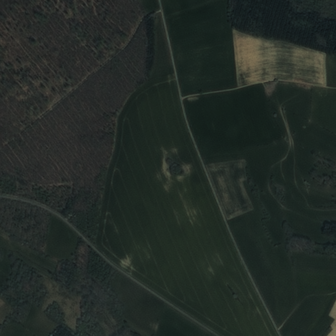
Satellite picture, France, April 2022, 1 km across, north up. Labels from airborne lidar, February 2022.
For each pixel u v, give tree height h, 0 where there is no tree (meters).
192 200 0
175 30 0
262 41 0
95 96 15
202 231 0
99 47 23
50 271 0
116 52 0
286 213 0
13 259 21
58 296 0
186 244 0
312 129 0
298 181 0
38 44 29
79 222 15
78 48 13
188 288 0
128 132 0
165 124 0
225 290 0
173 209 0
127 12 16
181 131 0
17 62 0
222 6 0
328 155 0
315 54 0
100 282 13
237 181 0
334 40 20
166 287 0
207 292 0
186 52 0
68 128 14
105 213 0
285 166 0
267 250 0
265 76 0
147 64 19
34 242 8
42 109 14
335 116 0
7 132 0
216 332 0
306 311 0
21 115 12
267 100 0
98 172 19
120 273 0
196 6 0
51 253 0
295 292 0
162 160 0
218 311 0
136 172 0
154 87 0
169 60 0
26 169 14
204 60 0
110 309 21
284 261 0
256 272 0
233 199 0
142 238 0
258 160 0
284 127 0
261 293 0
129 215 0
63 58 11
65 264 14
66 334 23
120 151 0
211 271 0
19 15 17
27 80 31
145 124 0
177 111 0
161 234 0
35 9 14
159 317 0
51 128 16
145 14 13
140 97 0
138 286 0
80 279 12
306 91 0
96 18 12
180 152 0
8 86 29
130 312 0
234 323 0
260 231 0
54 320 8
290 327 0
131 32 15
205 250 0
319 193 0
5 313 0
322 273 0
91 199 19
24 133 14
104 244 0
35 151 17
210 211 0
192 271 0
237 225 0
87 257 17
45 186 9
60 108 15
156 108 0
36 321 0
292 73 0
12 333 0
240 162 0
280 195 15
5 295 13
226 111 0
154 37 14
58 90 0
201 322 0
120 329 0
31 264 0
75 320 0
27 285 21
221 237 0
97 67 13
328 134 0
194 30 0
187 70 0
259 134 0
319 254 14
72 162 19
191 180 0
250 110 0
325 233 23
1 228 11
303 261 0
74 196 14
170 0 0
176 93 0
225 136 0
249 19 17
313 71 0
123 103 16
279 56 0
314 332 0
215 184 0
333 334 0
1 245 0
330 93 0
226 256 0
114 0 10
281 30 17
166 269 0
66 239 0
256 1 20
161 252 0
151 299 0
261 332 0
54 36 18
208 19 0
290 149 0
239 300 0
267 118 0
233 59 0
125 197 0
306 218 0
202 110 0
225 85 0
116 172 0
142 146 0
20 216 10
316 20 18
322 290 0
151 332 0
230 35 0
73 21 11
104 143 20
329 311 0
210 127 0
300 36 20
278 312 0
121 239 0
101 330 11
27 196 10
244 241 0
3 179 15
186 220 0
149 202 0
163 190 0
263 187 0
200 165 0
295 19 16
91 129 12
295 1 7
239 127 0
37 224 10
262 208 7
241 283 0
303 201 0
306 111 0
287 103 0
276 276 0
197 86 0
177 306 0
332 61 0
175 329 0
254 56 0
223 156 0
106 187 0
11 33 28
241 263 0
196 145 0
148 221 0
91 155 14
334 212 0
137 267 0
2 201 9
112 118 7
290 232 23
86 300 24
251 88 0
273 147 0
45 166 16
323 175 0
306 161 0
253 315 0
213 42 0
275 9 22
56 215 0
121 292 0
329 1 12
